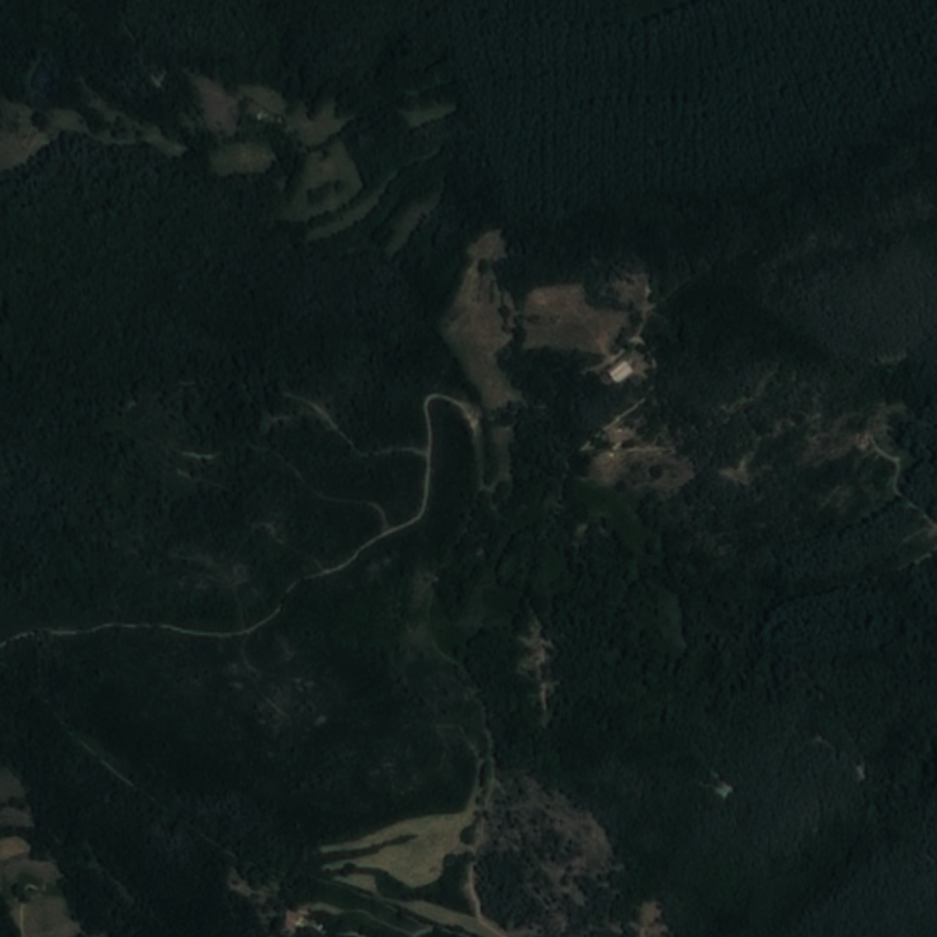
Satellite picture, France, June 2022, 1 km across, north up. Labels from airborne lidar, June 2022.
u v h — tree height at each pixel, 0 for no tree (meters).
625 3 22
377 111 6
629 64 29
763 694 21
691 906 11
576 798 14
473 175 15
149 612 6
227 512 8
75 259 22
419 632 0
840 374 10
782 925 14
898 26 25
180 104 7
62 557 10
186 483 0
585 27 17
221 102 0
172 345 17
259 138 10
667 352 14
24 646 6
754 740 15
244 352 10
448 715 12
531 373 7
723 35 24
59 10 7
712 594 7
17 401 15
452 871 9
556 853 13
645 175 23
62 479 16
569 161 25
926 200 8
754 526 14
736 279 10
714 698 22
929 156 17
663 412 10
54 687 8
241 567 0
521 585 22
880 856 16
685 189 24
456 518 5
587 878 14
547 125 27
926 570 17
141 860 12
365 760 7
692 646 15
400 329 20
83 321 24
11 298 21
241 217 16
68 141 12
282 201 20
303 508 7
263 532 6
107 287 20
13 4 13
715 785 13
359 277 20
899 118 18
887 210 9
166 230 22
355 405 14
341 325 21
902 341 13
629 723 20
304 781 13
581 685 21
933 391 15
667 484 0
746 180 21
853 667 21
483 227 15
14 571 11
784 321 17
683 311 9
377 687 6
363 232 8
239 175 8
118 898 17
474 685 7
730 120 29
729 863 12
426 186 12
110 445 21
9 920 16
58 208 22
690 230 18
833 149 23
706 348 19
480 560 15
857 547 22
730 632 5
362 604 6
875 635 28
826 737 18
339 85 19
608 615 20
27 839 10
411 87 12
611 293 7
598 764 12
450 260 10
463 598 12
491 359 0
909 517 26
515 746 20
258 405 10
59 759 12
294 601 9
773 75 28
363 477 10
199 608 6
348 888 6
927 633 34
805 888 18
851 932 15
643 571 9
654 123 26
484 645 20
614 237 17
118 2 7
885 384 14
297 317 16
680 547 17
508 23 16
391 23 21
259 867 14
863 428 9
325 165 0
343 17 22
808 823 8
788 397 13
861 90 27
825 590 15
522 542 18
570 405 13
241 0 20
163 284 17
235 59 17
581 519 20
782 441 8
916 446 27
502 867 14
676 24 26
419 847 0
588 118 27
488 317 0
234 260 18
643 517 15
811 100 27
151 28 14
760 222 17
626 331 12
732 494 16
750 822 14
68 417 19
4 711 12
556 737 20
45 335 21
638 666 23
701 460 15
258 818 11
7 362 22
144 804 14
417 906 0
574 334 0
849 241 7
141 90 12
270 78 16
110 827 13
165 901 12
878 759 15
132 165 20
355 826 7
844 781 12
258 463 15
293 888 13
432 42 21
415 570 14
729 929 20
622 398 13
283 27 20
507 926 13
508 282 10
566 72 23
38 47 15
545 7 23
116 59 6
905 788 24
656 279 11
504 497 13
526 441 19
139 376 17
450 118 14
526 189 23
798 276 11
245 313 17
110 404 21
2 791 0
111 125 7
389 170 11
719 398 14
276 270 19
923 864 14
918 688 16
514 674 20
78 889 15
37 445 21
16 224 20
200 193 18
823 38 29
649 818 18
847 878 18
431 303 10
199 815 11
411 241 9
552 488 18
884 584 13
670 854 13
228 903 14
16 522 8
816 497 10
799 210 16
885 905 15
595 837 0
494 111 24
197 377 14
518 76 27
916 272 13
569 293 0
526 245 15
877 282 13
